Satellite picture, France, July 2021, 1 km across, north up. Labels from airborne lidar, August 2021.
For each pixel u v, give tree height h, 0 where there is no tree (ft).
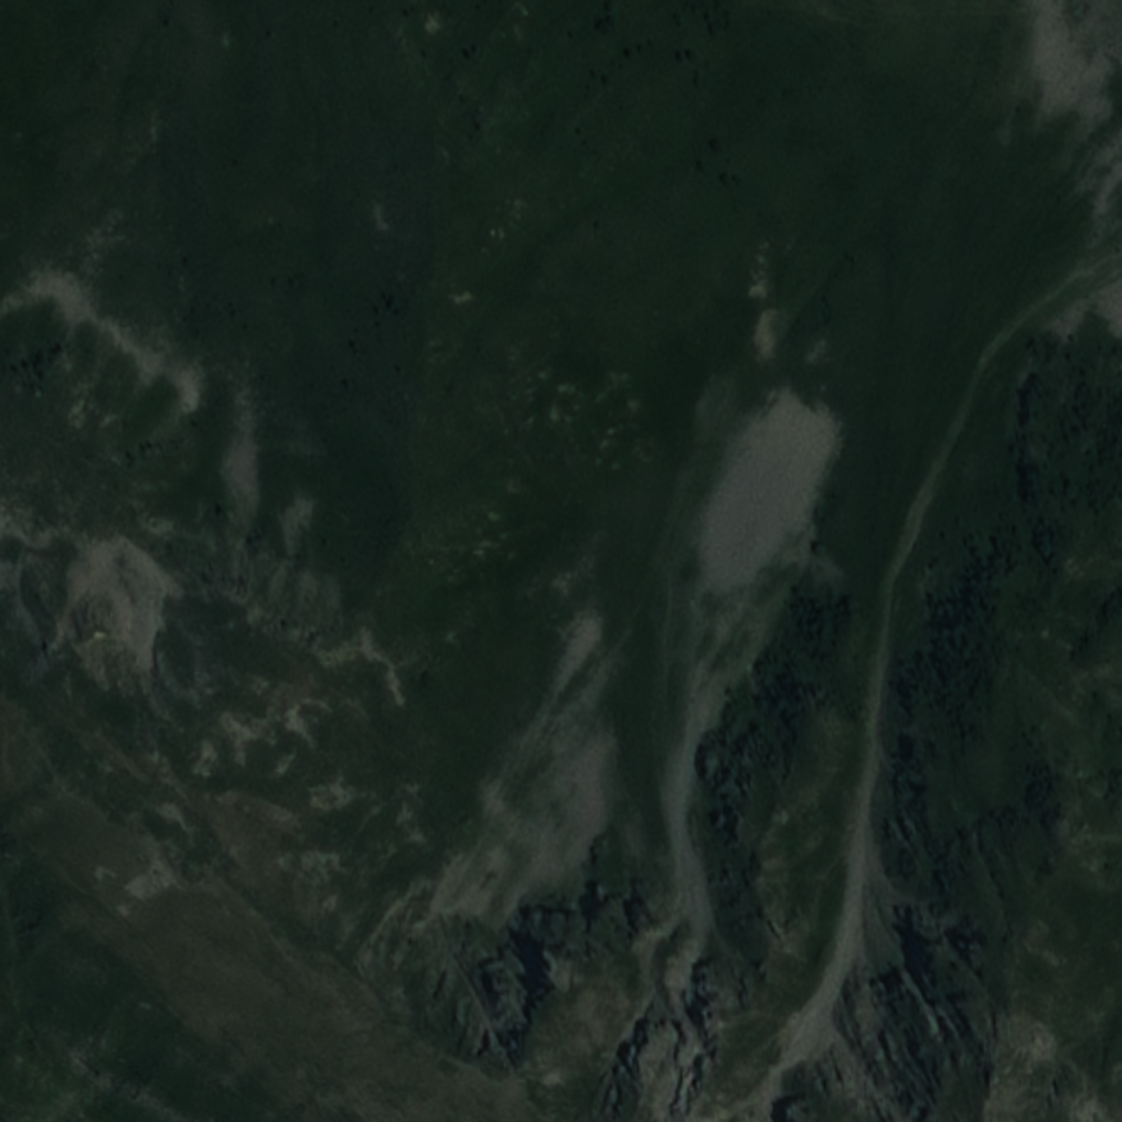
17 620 0
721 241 0
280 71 0
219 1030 0
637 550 0
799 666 27
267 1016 0
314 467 0
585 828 0
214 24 0
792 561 0
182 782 0
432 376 0
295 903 0
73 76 0
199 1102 0
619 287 0
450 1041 0
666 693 0
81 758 0
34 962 0
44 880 0
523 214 0
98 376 0
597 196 0
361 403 0
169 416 0
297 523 0
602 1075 0
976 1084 0
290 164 0
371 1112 0
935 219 0
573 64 0
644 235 0
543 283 0
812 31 0
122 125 0
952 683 33
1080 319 0
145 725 0
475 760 0
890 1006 0
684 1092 0
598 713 0
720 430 0
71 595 0
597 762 0
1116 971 0
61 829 0
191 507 0
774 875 0
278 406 0
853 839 0
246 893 0
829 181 0
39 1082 0
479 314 0
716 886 0
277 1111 0
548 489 0
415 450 0
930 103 0
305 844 0
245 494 0
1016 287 0
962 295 0
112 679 0
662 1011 0
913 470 0
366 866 0
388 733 0
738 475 0
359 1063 0
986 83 0
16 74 0
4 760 0
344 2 0
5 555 0
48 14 0
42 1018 0
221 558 0
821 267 0
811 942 0
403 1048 0
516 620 0
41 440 0
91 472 0
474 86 0
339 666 0
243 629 0
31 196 0
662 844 0
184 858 0
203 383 0
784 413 0
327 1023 0
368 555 0
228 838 0
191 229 0
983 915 0
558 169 0
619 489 0
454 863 0
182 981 0
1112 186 0
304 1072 0
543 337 0
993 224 0
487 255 0
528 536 0
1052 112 0
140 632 0
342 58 0
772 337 0
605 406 0
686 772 0
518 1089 0
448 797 0
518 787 0
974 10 0
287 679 0
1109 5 0
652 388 0
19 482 0
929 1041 0
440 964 0
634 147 0
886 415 0
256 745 0
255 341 0
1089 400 34
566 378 0
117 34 0
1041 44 0
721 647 0
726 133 0
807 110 0
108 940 0
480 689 0
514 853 0
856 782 0
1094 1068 0
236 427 0
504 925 0
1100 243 0
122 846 0
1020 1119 0
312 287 0
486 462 0
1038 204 0
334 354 0
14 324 0
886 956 0
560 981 0
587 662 0
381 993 0
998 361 0
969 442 0
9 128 0
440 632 0
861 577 0
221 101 0
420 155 0
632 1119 0
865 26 0
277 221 0
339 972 0
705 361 0
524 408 0
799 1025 0
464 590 0
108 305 0
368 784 0
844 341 0
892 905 0
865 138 0
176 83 0
